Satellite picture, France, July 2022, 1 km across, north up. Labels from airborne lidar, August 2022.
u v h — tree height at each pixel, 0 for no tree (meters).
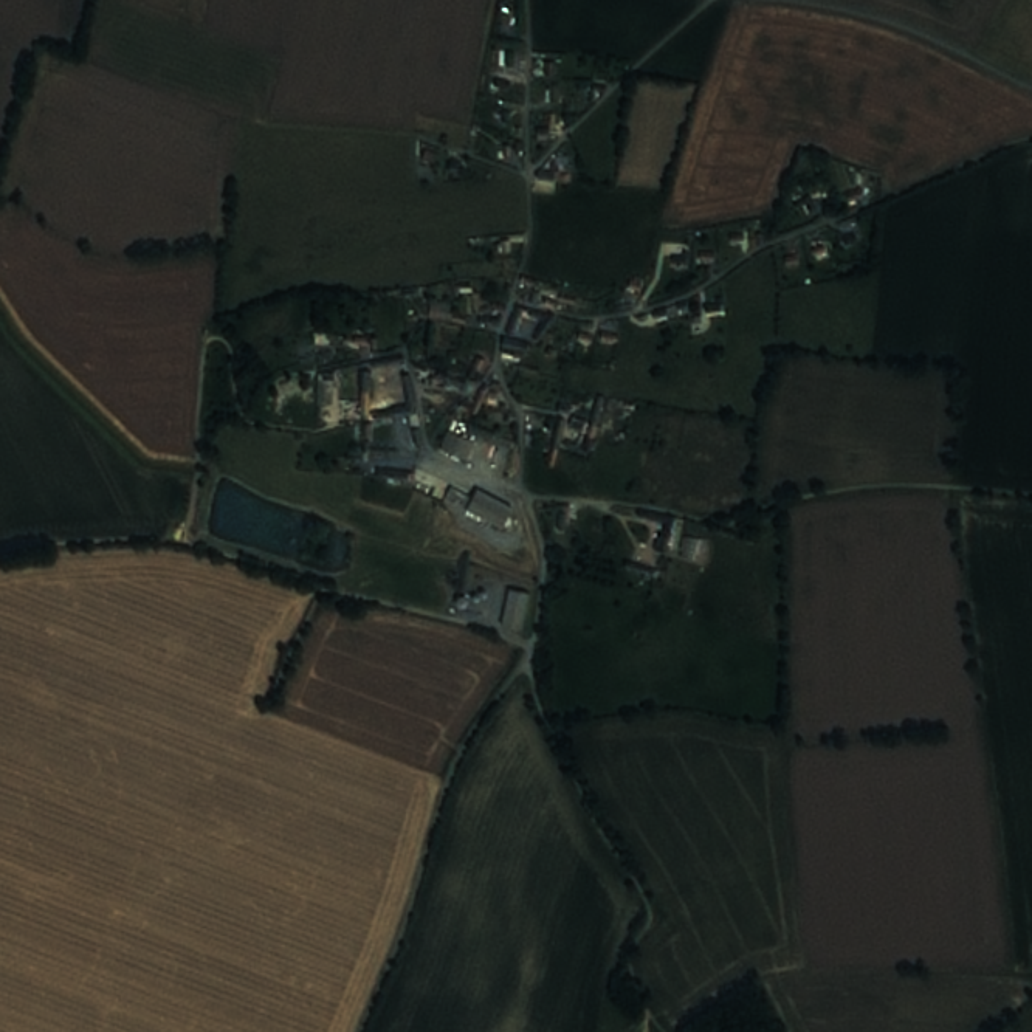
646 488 0
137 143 0
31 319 0
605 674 0
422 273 0
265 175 0
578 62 7
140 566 0
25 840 0
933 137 0
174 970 0
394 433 0
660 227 0
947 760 0
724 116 0
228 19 0
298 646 15
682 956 0
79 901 0
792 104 0
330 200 0
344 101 0
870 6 0
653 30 0
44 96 0
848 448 0
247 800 0
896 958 0
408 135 0
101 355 0
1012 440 0
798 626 0
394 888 0
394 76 0
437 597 0
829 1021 0
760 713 0
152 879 0
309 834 0
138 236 0
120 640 0
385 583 0
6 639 0
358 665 0
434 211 0
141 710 0
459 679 0
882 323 0
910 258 0
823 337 0
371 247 0
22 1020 0
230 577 0
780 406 0
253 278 0
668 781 0
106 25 0
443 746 0
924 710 0
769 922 0
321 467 7
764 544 0
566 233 0
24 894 0
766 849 0
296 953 0
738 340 0
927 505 0
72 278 0
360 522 0
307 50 0
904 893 0
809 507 0
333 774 0
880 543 0
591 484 0
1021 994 0
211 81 0
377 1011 8
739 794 0
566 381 0
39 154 0
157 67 0
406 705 0
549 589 9
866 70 0
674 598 0
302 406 0
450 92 0
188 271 0
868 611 0
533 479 0
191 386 0
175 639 0
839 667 0
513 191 0
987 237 0
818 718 0
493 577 0
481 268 0
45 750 0
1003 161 0
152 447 0
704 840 0
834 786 0
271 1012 0
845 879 0
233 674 0
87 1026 0
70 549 10
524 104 0
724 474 0
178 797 0
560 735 11
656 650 0
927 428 0
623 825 0
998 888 0
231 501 0
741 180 0
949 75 0
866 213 8
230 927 0
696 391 0
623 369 0
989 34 0
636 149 0
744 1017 22
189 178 0
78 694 0
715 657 0
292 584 11
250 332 0
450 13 0
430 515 0
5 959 0
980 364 0
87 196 0
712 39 0
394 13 0
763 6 0
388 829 0
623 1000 15
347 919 0
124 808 0
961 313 0
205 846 0
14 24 0
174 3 0
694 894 0
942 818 0
